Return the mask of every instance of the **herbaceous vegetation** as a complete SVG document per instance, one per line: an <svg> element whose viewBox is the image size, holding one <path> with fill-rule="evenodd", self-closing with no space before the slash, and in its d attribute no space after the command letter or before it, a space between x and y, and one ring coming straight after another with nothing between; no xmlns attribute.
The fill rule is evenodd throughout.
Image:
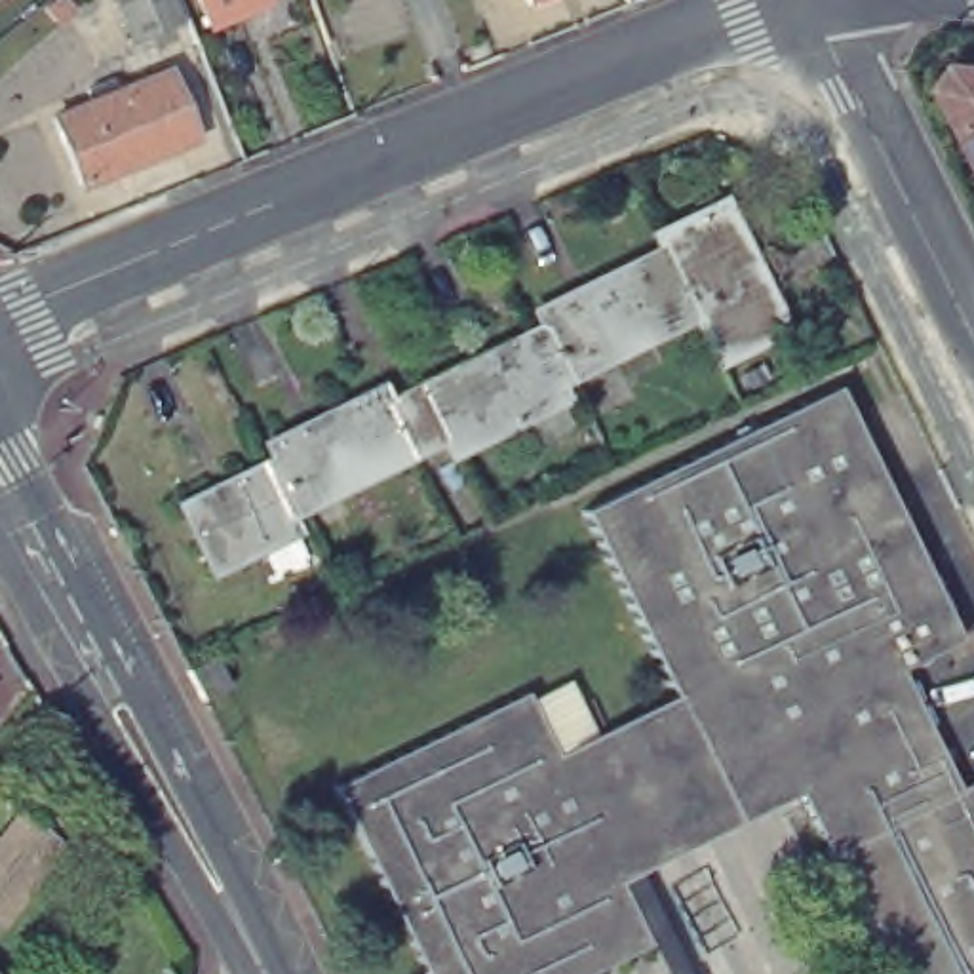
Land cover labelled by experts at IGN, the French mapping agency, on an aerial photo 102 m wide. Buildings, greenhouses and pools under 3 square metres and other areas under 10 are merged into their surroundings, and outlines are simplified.
<svg viewBox="0 0 974 974"><path fill-rule="evenodd" d="M11 692L15 715L8 715L4 727L30 727L53 711L34 696L27 681Z"/></svg>
<svg viewBox="0 0 974 974"><path fill-rule="evenodd" d="M259 308L259 327L282 350L289 373L302 382L308 396L316 373L323 373L339 354L339 342L297 342L293 308L285 308L282 301Z"/></svg>
<svg viewBox="0 0 974 974"><path fill-rule="evenodd" d="M224 457L240 453L236 411L247 415L251 403L259 403L278 407L285 415L291 413L276 382L259 384L247 373L240 350L232 346L232 339L224 339L224 327L213 327L164 350L167 369L179 384L175 392L198 411L209 445Z"/></svg>
<svg viewBox="0 0 974 974"><path fill-rule="evenodd" d="M422 974L407 947L403 906L396 906L384 894L354 837L316 845L320 871L304 886L323 928L342 906L358 913L361 925L380 928L384 963L369 970L361 966L361 974Z"/></svg>
<svg viewBox="0 0 974 974"><path fill-rule="evenodd" d="M700 129L647 152L651 160L731 160L734 152L750 156L753 141Z"/></svg>
<svg viewBox="0 0 974 974"><path fill-rule="evenodd" d="M548 552L563 544L582 544L590 536L582 521L586 510L597 510L628 491L639 491L731 445L734 438L750 438L753 430L772 426L833 392L852 392L864 419L875 415L890 396L913 399L913 388L909 380L902 380L894 354L883 346L879 323L864 297L845 312L845 339L852 342L852 354L845 358L845 365L837 361L837 369L841 377L799 396L788 396L784 403L776 403L765 388L734 388L731 365L723 365L719 358L711 354L708 361L681 361L666 342L624 365L605 369L597 380L578 384L575 399L601 403L613 415L628 407L632 415L647 415L654 426L666 426L670 419L704 407L715 422L670 445L658 445L639 460L628 460L624 449L609 441L601 441L594 426L582 426L575 419L563 434L552 438L567 457L548 468L552 476L567 476L590 457L609 457L609 476L586 479L582 487L552 502L514 510L487 536L457 544L457 525L449 521L445 502L438 502L434 483L422 483L415 468L403 468L350 495L342 502L346 517L339 517L335 525L327 525L323 517L308 517L304 548L316 559L327 552L331 559L354 559L358 567L365 567L373 563L373 548L392 548L396 521L419 521L430 540L445 544L445 552L434 555L438 567L445 575L464 575L483 586L487 605L495 605L495 628L487 628L472 643L464 639L464 632L441 632L434 651L411 662L399 647L388 647L380 639L350 643L331 624L320 635L312 635L312 643L293 647L282 639L282 620L274 620L263 632L240 632L240 658L228 666L228 677L236 677L236 685L209 700L224 738L232 742L236 765L259 799L259 810L274 822L282 803L289 799L358 826L365 807L354 799L354 780L361 772L419 750L430 738L460 731L502 704L548 696L555 689L575 685L590 708L594 727L616 731L670 704L673 689L666 689L654 700L632 700L628 677L647 654L635 620L624 609L624 597L616 594L616 582L609 578L609 567L601 559L575 586L548 586L540 597L525 594L525 578L548 559Z"/></svg>
<svg viewBox="0 0 974 974"><path fill-rule="evenodd" d="M194 974L190 947L175 932L160 898L152 894L126 909L126 944L118 947L118 963L99 974Z"/></svg>
<svg viewBox="0 0 974 974"><path fill-rule="evenodd" d="M118 434L99 453L99 460L110 468L122 506L148 521L156 567L167 575L171 597L183 609L183 616L167 620L175 639L186 632L209 632L232 620L247 620L266 609L282 609L289 597L312 605L320 597L323 582L308 571L285 575L285 582L270 582L270 563L251 563L228 578L217 578L183 517L171 529L156 521L164 502L160 495L198 476L183 430L175 430L152 411L137 380L129 388Z"/></svg>
<svg viewBox="0 0 974 974"><path fill-rule="evenodd" d="M525 331L514 323L514 304L506 297L483 301L468 289L453 312L464 312L472 323L479 323L483 342L476 350L434 358L426 365L430 377L476 361Z"/></svg>
<svg viewBox="0 0 974 974"><path fill-rule="evenodd" d="M498 247L506 255L510 285L525 285L536 304L548 304L571 289L582 289L651 255L658 244L658 228L647 217L647 194L635 186L628 190L628 202L616 217L601 221L575 221L571 205L563 205L555 190L540 198L567 255L578 266L575 278L555 278L544 232L525 232L517 209L498 209L487 221L449 232L449 240L464 232L476 247Z"/></svg>
<svg viewBox="0 0 974 974"><path fill-rule="evenodd" d="M445 0L457 46L468 53L479 46L472 30L483 23L476 0Z"/></svg>
<svg viewBox="0 0 974 974"><path fill-rule="evenodd" d="M61 110L65 107L68 95L91 91L95 80L107 72L103 65L80 38L76 23L53 27L46 19L46 8L57 0L0 0L0 228L8 236L23 236L27 224L42 224L49 209L61 209L68 175L57 164L57 152L42 126L23 126L19 114L34 107Z"/></svg>
<svg viewBox="0 0 974 974"><path fill-rule="evenodd" d="M377 377L365 384L350 384L354 399L384 384L392 384L396 392L411 388L373 335L369 339L361 358Z"/></svg>
<svg viewBox="0 0 974 974"><path fill-rule="evenodd" d="M331 42L316 49L312 11L304 0L289 0L285 6L213 30L202 38L202 46L221 80L228 114L251 110L255 126L266 129L266 107L251 84L251 42L259 34L274 38L274 53L289 88L316 65L335 91L339 114L361 114L365 103L411 91L426 80L430 61L419 38L419 23L399 11L403 0L316 0L323 27L331 30Z"/></svg>

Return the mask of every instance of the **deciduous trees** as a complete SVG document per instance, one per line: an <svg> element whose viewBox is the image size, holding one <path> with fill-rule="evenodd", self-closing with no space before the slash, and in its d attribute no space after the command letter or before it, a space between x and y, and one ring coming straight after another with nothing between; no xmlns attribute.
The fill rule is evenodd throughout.
<svg viewBox="0 0 974 974"><path fill-rule="evenodd" d="M426 365L434 358L476 350L483 342L479 323L472 323L464 312L453 312L430 301L419 263L407 259L407 251L399 251L384 263L350 274L350 297L373 335L411 388L430 377Z"/></svg>
<svg viewBox="0 0 974 974"><path fill-rule="evenodd" d="M628 677L632 700L654 700L666 689L662 666L647 654Z"/></svg>
<svg viewBox="0 0 974 974"><path fill-rule="evenodd" d="M358 826L289 799L282 803L274 822L263 860L285 883L304 886L320 871L316 845L354 837Z"/></svg>
<svg viewBox="0 0 974 974"><path fill-rule="evenodd" d="M339 114L335 91L316 65L289 88L301 110L301 126L320 129L331 126Z"/></svg>
<svg viewBox="0 0 974 974"><path fill-rule="evenodd" d="M536 468L548 468L567 457L552 438L533 426L479 453L498 479L525 479Z"/></svg>
<svg viewBox="0 0 974 974"><path fill-rule="evenodd" d="M320 297L293 308L297 342L339 342L339 354L323 373L316 373L308 396L308 403L316 403L320 415L354 399L350 384L365 384L377 377L361 358L369 339L342 339Z"/></svg>
<svg viewBox="0 0 974 974"><path fill-rule="evenodd" d="M323 974L361 974L361 966L369 970L384 963L380 928L361 925L358 913L342 906L323 928Z"/></svg>
<svg viewBox="0 0 974 974"><path fill-rule="evenodd" d="M791 845L784 845L769 864L769 898L761 913L772 944L784 947L788 959L807 963L799 974L925 974L925 966L906 963L898 951L886 951L871 940L875 928L886 928L886 917L875 913L879 894L871 860L856 867L845 864L826 856L795 864Z"/></svg>
<svg viewBox="0 0 974 974"><path fill-rule="evenodd" d="M711 354L719 358L723 350L708 331L689 331L666 342L681 361L708 361Z"/></svg>
<svg viewBox="0 0 974 974"><path fill-rule="evenodd" d="M594 426L601 441L609 441L613 415L601 403L575 399L575 419L582 426Z"/></svg>
<svg viewBox="0 0 974 974"><path fill-rule="evenodd" d="M438 567L434 555L445 552L445 544L430 540L419 521L396 521L392 548L373 548L373 563L365 567L358 567L354 559L331 559L327 552L316 559L308 571L323 582L320 597L312 605L289 597L282 609L282 620L282 639L293 647L312 643L312 635L320 635L331 624L350 643L380 639L388 647L399 647L411 662L434 651L441 632L464 632L464 639L472 643L487 628L495 628L495 605L487 605L483 586L464 575L445 575Z"/></svg>
<svg viewBox="0 0 974 974"><path fill-rule="evenodd" d="M563 544L548 552L548 559L525 578L525 594L540 597L548 586L575 586L601 559L590 536L582 544Z"/></svg>
<svg viewBox="0 0 974 974"><path fill-rule="evenodd" d="M476 247L464 232L449 240L441 255L453 263L457 282L468 289L483 301L506 297L510 285L506 255L498 247Z"/></svg>
<svg viewBox="0 0 974 974"><path fill-rule="evenodd" d="M731 160L651 160L647 152L616 160L555 190L563 205L571 205L575 221L601 221L616 217L628 202L628 190L635 186L647 194L647 217L658 228L731 198L738 202L772 274L784 270L788 255L795 255L803 244L829 240L833 205L822 190L822 175L810 164L795 167L784 152L765 148L757 137L753 141L750 156L734 152Z"/></svg>
<svg viewBox="0 0 974 974"><path fill-rule="evenodd" d="M152 845L145 837L145 826L129 814L114 784L84 757L72 723L61 711L53 711L30 727L4 727L8 715L0 715L0 803L8 799L23 818L57 837L46 875L30 898L27 921L11 932L0 932L0 974L99 974L118 963L118 947L126 944L126 909L152 894L145 886Z"/></svg>
<svg viewBox="0 0 974 974"><path fill-rule="evenodd" d="M845 312L864 297L852 266L837 270L826 263L818 289L795 289L784 297L788 320L780 316L769 331L769 361L776 373L791 361L799 369L814 369L829 361L837 369L837 361L845 365L845 358L852 354L852 342L845 339Z"/></svg>

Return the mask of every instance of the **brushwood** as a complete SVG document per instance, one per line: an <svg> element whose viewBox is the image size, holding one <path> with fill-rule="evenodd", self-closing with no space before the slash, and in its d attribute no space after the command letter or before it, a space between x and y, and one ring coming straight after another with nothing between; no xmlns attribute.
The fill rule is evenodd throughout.
<svg viewBox="0 0 974 974"><path fill-rule="evenodd" d="M624 449L628 460L639 460L658 445L670 445L715 422L704 407L670 419L666 426L654 426L647 415L632 415L628 407L613 415L609 441Z"/></svg>
<svg viewBox="0 0 974 974"><path fill-rule="evenodd" d="M167 575L156 567L148 521L122 506L110 468L99 460L99 453L118 434L129 388L137 380L122 377L122 384L114 384L88 468L118 529L129 536L137 567L167 620L183 616L183 609L171 597Z"/></svg>
<svg viewBox="0 0 974 974"><path fill-rule="evenodd" d="M224 457L232 476L263 464L270 457L270 438L289 430L285 415L278 407L259 403L251 403L247 415L236 411L240 453Z"/></svg>
<svg viewBox="0 0 974 974"><path fill-rule="evenodd" d="M510 285L506 297L514 304L514 323L525 331L536 323L536 304L525 285Z"/></svg>
<svg viewBox="0 0 974 974"><path fill-rule="evenodd" d="M186 662L198 670L217 662L228 666L240 658L240 632L263 632L274 620L282 620L282 609L266 609L247 620L232 620L209 632L186 632L175 639Z"/></svg>
<svg viewBox="0 0 974 974"><path fill-rule="evenodd" d="M841 377L837 369L829 361L814 369L799 369L791 361L776 373L765 388L776 403L784 403L788 396L799 396Z"/></svg>
<svg viewBox="0 0 974 974"><path fill-rule="evenodd" d="M955 129L947 126L932 88L944 76L944 68L974 65L974 23L947 23L944 30L921 38L909 65L913 107L932 137L932 148L944 152L947 171L955 171L970 202L963 217L974 232L974 167Z"/></svg>
<svg viewBox="0 0 974 974"><path fill-rule="evenodd" d="M582 487L586 479L609 476L609 457L590 457L567 476L552 476L548 468L536 468L525 479L498 479L479 453L464 460L460 476L464 483L476 483L483 498L483 517L464 521L449 487L441 483L441 472L430 460L419 460L415 468L422 483L434 483L438 502L445 502L449 521L457 525L457 544L487 536L514 510L552 502Z"/></svg>
<svg viewBox="0 0 974 974"><path fill-rule="evenodd" d="M160 495L164 502L156 521L171 529L183 517L183 502L205 491L198 476Z"/></svg>

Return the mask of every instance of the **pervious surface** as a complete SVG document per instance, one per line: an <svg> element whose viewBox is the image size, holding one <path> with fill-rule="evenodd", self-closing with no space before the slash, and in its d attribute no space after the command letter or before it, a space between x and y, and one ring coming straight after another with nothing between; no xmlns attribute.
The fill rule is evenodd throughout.
<svg viewBox="0 0 974 974"><path fill-rule="evenodd" d="M80 38L103 65L126 34L122 8L114 0L91 0L84 4L76 23Z"/></svg>
<svg viewBox="0 0 974 974"><path fill-rule="evenodd" d="M259 34L251 42L251 84L266 107L266 129L270 137L285 137L293 126L301 126L301 110L289 88L274 53L274 38Z"/></svg>
<svg viewBox="0 0 974 974"><path fill-rule="evenodd" d="M483 498L476 483L464 483L460 476L464 460L430 460L441 472L441 483L449 487L464 521L483 517Z"/></svg>

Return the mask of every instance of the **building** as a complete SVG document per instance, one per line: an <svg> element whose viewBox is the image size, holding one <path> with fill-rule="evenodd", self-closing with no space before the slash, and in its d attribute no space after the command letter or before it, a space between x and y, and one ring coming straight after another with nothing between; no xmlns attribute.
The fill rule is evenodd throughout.
<svg viewBox="0 0 974 974"><path fill-rule="evenodd" d="M974 167L974 65L944 68L944 76L932 88L947 126L955 129Z"/></svg>
<svg viewBox="0 0 974 974"><path fill-rule="evenodd" d="M479 453L533 426L552 438L563 434L575 419L575 399L578 384L597 380L605 369L624 365L666 342L689 331L708 331L723 350L719 358L723 365L731 365L734 388L765 388L776 373L769 361L769 331L780 316L788 320L784 297L772 274L738 202L731 198L658 228L658 244L651 255L582 289L571 289L548 304L536 304L536 323L525 331L476 361L430 377L411 388L396 392L392 384L384 384L354 399L320 415L289 430L270 438L270 457L263 464L232 476L205 491L183 502L183 517L217 578L228 578L251 563L270 563L270 582L285 582L285 575L308 571L316 559L304 548L308 517L323 517L327 525L335 525L339 517L346 517L342 502L350 495L403 468L415 468L419 460L430 460L464 460Z"/></svg>
<svg viewBox="0 0 974 974"><path fill-rule="evenodd" d="M122 8L126 34L103 65L107 72L129 72L126 61L141 46L179 38L179 27L186 27L190 19L183 15L179 0L114 0Z"/></svg>
<svg viewBox="0 0 974 974"><path fill-rule="evenodd" d="M323 27L316 0L304 0L312 11L316 49L331 42L331 30Z"/></svg>
<svg viewBox="0 0 974 974"><path fill-rule="evenodd" d="M11 932L27 921L30 898L46 875L57 837L23 818L8 799L0 803L0 932Z"/></svg>
<svg viewBox="0 0 974 974"><path fill-rule="evenodd" d="M46 8L46 19L53 27L76 23L84 4L91 0L57 0Z"/></svg>
<svg viewBox="0 0 974 974"><path fill-rule="evenodd" d="M228 677L228 666L217 662L198 670L209 700L236 685L236 677Z"/></svg>
<svg viewBox="0 0 974 974"><path fill-rule="evenodd" d="M285 6L289 0L194 0L202 8L205 27L213 30Z"/></svg>
<svg viewBox="0 0 974 974"><path fill-rule="evenodd" d="M99 186L126 179L141 167L175 160L205 141L209 129L202 129L198 107L179 72L156 76L148 84L129 84L80 110L65 107L61 110L61 126L72 148L80 152L84 179Z"/></svg>
<svg viewBox="0 0 974 974"><path fill-rule="evenodd" d="M761 818L795 795L810 795L826 818L822 841L835 843L845 864L856 867L871 860L879 894L875 913L886 917L886 928L875 928L871 940L886 951L898 951L906 963L925 966L925 974L974 974L974 784L963 784L932 711L925 708L913 670L932 673L947 658L974 658L974 628L959 620L959 609L864 419L852 392L833 392L772 426L753 430L750 438L734 438L731 445L639 491L628 491L597 510L586 510L582 521L590 536L601 559L609 567L609 578L616 582L616 594L624 597L624 609L635 620L647 654L662 666L666 689L673 689L670 704L616 731L594 727L590 708L575 685L555 689L548 696L502 704L460 731L430 738L419 750L361 772L354 780L354 799L365 807L358 826L354 837L384 894L396 906L403 906L407 947L422 974L711 974L708 963L696 955L681 925L681 913L662 883L662 860L670 860L677 848L696 848L750 818Z"/></svg>

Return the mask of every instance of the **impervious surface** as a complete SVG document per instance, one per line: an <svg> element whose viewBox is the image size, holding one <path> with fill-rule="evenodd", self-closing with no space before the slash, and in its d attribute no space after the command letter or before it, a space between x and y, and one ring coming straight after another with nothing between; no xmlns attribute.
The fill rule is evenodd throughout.
<svg viewBox="0 0 974 974"><path fill-rule="evenodd" d="M913 670L925 708L932 711L963 784L974 784L974 658L947 658L932 673Z"/></svg>
<svg viewBox="0 0 974 974"><path fill-rule="evenodd" d="M316 403L308 403L308 396L302 382L289 373L282 350L259 327L259 308L282 301L285 308L293 308L320 297L342 339L369 339L373 335L350 297L350 274L384 263L399 251L407 251L407 259L419 263L430 301L453 312L468 289L457 282L453 263L441 255L449 240L449 232L487 221L498 209L517 209L525 232L544 232L555 278L575 278L578 266L567 255L540 198L555 190L616 160L647 152L700 129L753 141L757 137L765 148L784 152L795 167L810 164L822 175L822 190L833 205L829 240L803 244L795 255L788 255L784 270L772 274L784 297L795 289L818 289L826 263L837 270L852 266L864 297L879 323L883 346L894 354L902 380L909 380L913 388L913 399L890 396L875 415L864 419L959 609L959 620L974 628L974 232L963 217L970 202L955 171L947 171L944 152L932 148L932 137L913 107L909 65L921 38L944 30L947 23L974 23L974 0L476 0L483 23L472 30L479 46L468 53L457 46L445 0L403 0L399 11L419 23L419 38L430 61L426 80L411 91L365 103L361 114L339 114L331 126L320 129L301 126L293 126L285 137L270 137L266 129L255 126L251 110L228 114L221 80L202 46L202 38L213 30L205 27L202 8L194 0L179 0L183 15L190 19L186 27L179 27L179 38L141 46L126 61L129 72L107 72L95 80L91 91L68 95L65 107L80 110L129 84L148 84L156 76L179 72L198 107L202 129L209 129L205 141L175 160L141 167L126 179L99 186L84 179L80 152L72 148L61 126L61 110L34 107L19 114L23 126L42 126L57 152L57 164L68 175L61 209L49 209L42 224L27 224L23 236L8 236L0 228L0 715L8 715L15 715L11 692L27 681L34 696L53 711L61 711L72 723L84 757L114 784L129 814L145 826L145 837L152 845L145 886L152 894L160 898L175 932L190 947L194 974L323 974L323 928L304 886L285 883L263 860L274 822L259 810L259 799L236 765L232 742L224 738L209 700L198 670L186 662L175 639L167 620L137 567L129 536L118 529L88 468L114 384L122 384L122 377L137 380L152 411L175 430L183 430L198 476L205 491L232 476L224 457L209 445L198 411L175 392L179 384L167 369L164 350L213 327L224 327L224 339L232 339L232 346L240 350L247 373L259 384L276 382L291 413L285 415L289 430L320 415Z"/></svg>
<svg viewBox="0 0 974 974"><path fill-rule="evenodd" d="M784 947L772 944L761 913L769 898L769 864L784 845L791 845L795 864L826 856L845 864L835 843L822 841L826 818L810 795L795 795L761 818L750 818L696 848L677 848L670 860L662 860L662 883L681 913L681 925L696 955L708 963L711 974L799 974L807 963L788 959Z"/></svg>

